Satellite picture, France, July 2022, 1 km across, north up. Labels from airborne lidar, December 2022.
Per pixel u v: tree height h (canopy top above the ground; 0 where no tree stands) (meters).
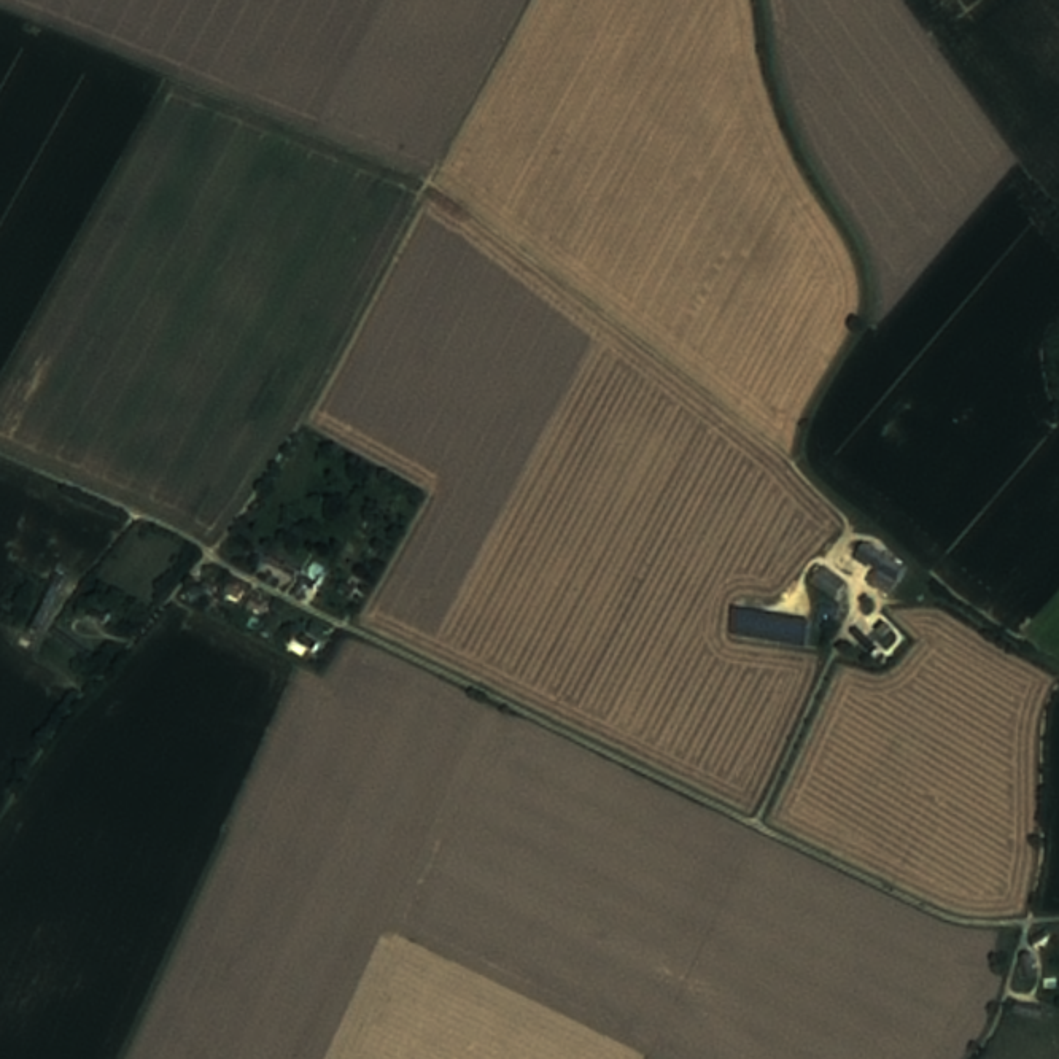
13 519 0
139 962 0
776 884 0
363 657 0
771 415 0
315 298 0
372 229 0
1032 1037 0
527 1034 0
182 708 0
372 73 0
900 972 0
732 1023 0
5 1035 0
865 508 0
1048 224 0
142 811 0
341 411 0
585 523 0
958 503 0
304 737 0
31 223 0
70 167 0
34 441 0
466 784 0
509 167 0
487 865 0
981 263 0
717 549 0
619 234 0
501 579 0
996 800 0
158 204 0
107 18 0
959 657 0
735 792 0
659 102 0
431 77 0
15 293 0
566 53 0
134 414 0
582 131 0
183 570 10
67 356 0
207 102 0
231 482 0
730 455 0
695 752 0
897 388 0
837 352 0
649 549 0
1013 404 0
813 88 0
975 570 0
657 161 0
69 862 0
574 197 0
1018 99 0
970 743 0
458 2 0
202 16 0
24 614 11
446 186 0
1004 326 0
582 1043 0
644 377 0
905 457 0
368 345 0
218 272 0
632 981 0
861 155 0
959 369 0
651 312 0
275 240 0
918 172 0
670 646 0
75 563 0
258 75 0
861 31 0
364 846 0
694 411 0
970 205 0
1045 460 0
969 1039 0
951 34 0
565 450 0
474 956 0
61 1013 0
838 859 0
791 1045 0
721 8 0
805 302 0
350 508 9
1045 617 0
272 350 0
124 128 0
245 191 0
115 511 13
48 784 0
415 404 0
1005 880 0
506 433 0
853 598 0
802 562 0
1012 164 0
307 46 0
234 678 0
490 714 0
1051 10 0
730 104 0
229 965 0
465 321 0
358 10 0
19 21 0
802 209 0
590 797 0
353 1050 0
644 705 0
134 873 0
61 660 0
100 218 0
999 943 0
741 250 0
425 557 0
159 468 0
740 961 0
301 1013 0
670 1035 0
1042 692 0
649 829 0
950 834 0
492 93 0
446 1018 0
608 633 0
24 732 0
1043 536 0
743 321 0
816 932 0
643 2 0
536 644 0
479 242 0
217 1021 0
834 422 0
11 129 0
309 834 0
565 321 0
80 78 0
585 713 0
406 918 0
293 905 0
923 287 0
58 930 0
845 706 0
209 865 0
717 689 0
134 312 0
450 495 0
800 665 0
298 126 0
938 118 0
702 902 0
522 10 0
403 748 0
